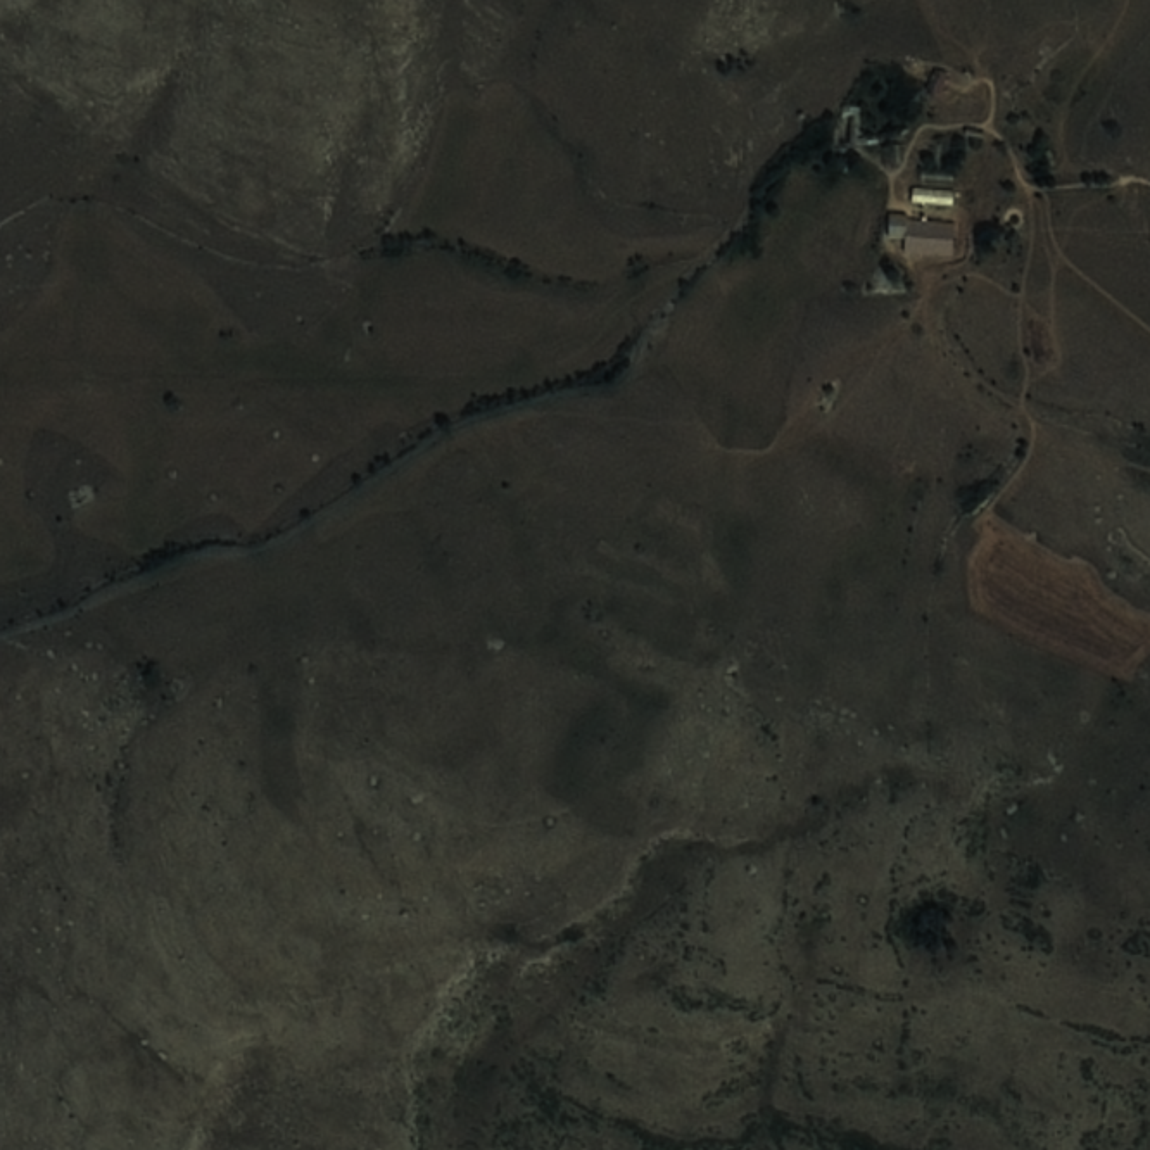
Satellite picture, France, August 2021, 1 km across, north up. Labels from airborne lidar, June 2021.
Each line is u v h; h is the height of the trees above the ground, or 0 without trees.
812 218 0
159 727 0
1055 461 0
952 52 0
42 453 0
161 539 0
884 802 0
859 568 0
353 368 0
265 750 0
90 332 0
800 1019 0
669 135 0
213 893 0
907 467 0
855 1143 0
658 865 0
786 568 0
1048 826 0
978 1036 0
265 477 0
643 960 0
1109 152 0
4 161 0
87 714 0
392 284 0
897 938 0
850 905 0
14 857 0
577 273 0
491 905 0
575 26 0
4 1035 0
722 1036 0
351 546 0
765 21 0
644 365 0
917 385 0
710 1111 0
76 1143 0
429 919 0
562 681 0
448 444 0
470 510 0
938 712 0
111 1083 0
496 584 0
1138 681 0
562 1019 0
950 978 0
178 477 0
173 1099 0
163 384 0
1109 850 0
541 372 0
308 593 0
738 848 0
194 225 0
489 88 0
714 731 0
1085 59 0
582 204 0
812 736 0
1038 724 0
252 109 0
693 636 0
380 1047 0
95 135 0
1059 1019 0
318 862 0
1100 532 0
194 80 0
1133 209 0
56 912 0
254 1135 0
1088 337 0
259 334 0
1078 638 0
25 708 0
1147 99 0
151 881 0
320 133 0
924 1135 0
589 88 0
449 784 0
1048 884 0
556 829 0
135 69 0
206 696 0
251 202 0
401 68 0
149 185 0
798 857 0
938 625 0
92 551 0
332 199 0
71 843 0
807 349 0
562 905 0
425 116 0
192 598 0
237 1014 0
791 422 0
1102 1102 0
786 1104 0
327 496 0
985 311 0
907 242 0
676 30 0
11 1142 0
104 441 0
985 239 12
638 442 0
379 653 0
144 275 0
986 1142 0
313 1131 0
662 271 0
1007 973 0
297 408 0
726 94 0
